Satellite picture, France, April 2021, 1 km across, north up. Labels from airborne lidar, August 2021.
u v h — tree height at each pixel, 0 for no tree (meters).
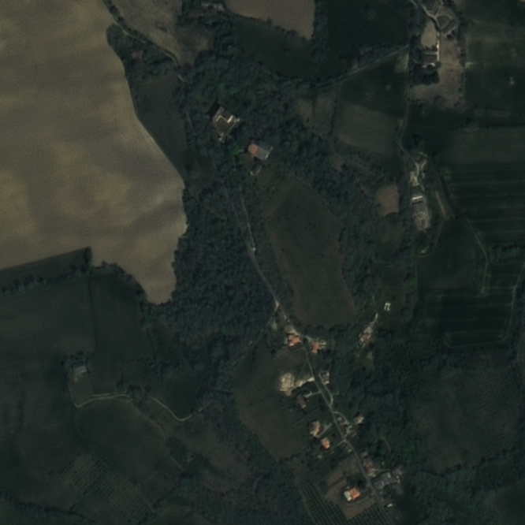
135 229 0
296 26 0
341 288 0
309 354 11
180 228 0
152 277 0
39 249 0
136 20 0
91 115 0
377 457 11
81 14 0
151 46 13
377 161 0
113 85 0
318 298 0
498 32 0
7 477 0
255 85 15
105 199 0
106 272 17
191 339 18
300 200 0
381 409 22
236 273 12
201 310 18
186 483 22
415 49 15
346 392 16
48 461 0
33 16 0
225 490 0
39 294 0
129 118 0
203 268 13
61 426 0
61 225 0
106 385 0
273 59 0
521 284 0
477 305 0
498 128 8
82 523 14
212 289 7
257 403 0
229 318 18
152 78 18
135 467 0
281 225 0
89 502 0
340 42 0
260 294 13
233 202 19
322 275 0
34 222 0
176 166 0
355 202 17
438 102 17
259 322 14
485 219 0
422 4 15
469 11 0
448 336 0
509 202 0
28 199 0
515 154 0
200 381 0
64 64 0
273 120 20
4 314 0
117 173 0
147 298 13
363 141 0
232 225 12
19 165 0
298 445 0
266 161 9
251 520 20
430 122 0
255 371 0
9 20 0
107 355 0
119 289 0
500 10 0
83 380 0
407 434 16
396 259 14
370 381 7
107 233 0
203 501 18
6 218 0
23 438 0
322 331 15
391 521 0
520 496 0
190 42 0
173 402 0
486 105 0
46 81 0
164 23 0
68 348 0
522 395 10
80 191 0
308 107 0
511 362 13
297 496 17
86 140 0
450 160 0
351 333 13
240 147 9
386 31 0
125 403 0
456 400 0
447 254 0
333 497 0
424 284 0
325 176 10
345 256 15
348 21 0
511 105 0
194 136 9
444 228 0
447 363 20
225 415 13
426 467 16
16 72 0
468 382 0
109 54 0
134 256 0
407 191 21
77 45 0
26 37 0
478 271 7
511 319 0
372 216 14
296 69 0
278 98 12
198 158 0
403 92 0
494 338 0
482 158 0
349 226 10
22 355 0
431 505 18
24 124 0
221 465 0
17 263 0
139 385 0
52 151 0
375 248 16
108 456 0
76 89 0
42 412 0
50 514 16
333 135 10
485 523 11
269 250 13
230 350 15
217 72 14
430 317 0
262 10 0
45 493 0
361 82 0
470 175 0
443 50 0
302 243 0
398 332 0
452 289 0
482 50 0
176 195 0
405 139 0
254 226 12
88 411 0
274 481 17
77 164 0
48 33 0
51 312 0
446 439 0
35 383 0
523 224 0
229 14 9
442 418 0
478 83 0
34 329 0
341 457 7
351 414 8
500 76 0
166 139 0
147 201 0
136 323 0
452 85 0
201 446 0
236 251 7
